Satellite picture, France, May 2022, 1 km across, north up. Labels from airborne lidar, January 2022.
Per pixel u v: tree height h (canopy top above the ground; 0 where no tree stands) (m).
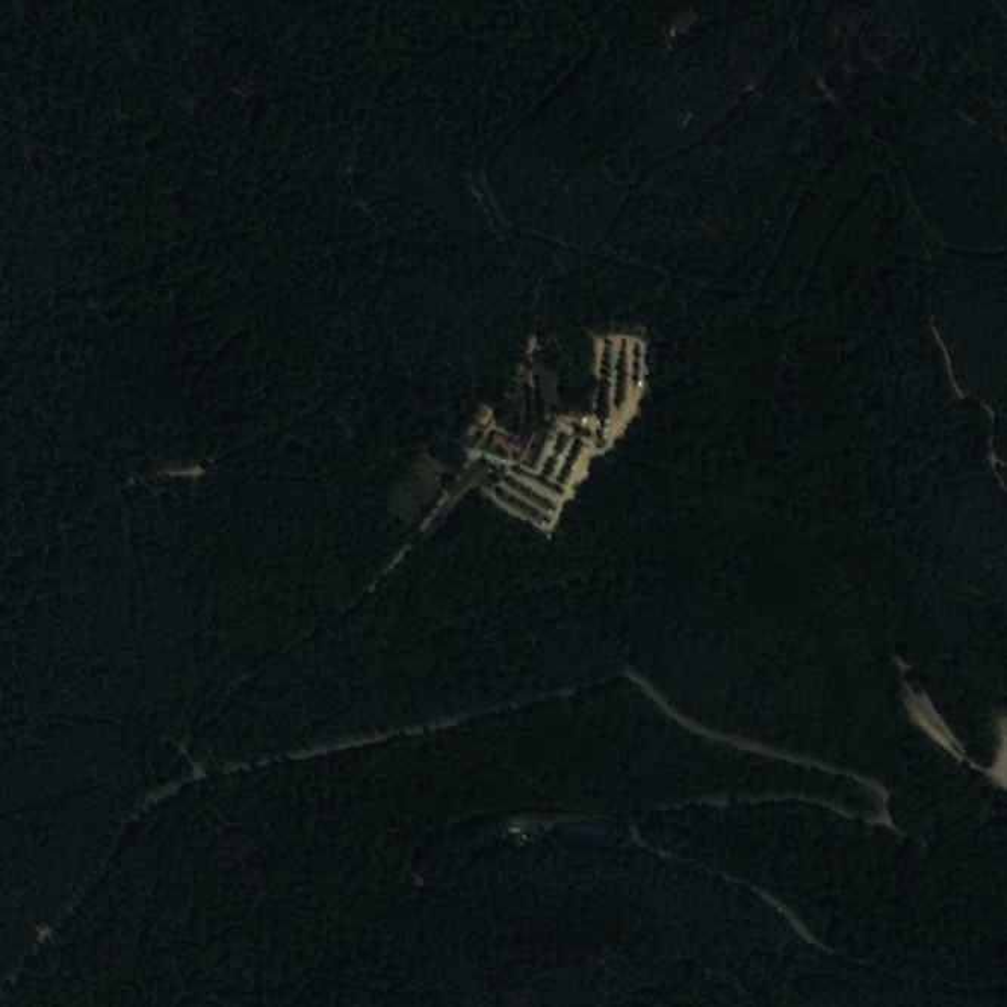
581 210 13
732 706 13
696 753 15
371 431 19
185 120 21
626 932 17
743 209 24
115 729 17
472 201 18
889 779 10
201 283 30
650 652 25
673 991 25
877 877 14
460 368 19
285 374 25
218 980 29
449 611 14
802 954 29
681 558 19
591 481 11
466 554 14
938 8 10
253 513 11
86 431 15
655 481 17
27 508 19
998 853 22
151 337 11
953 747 0
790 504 13
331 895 23
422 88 19
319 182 20
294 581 11
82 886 21
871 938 26
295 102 17
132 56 24
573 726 16
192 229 30
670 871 27
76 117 21
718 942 25
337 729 24
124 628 18
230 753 15
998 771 0
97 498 21
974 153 9
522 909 22
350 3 28
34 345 22
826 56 15
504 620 6
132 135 27
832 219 12
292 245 24
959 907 20
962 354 12
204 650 17
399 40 24
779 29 14
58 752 21
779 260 7
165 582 15
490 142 18
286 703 23
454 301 20
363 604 9
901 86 22
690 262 9
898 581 12
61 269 20
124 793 24
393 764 15
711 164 19
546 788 12
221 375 10
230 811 13
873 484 26
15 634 20
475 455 0
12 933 17
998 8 7
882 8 19
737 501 21
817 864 14
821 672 17
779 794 12
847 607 17
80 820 21
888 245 11
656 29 19
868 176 6
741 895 19
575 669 18
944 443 22
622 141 14
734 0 20
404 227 22
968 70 12
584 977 25
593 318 14
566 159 13
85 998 15
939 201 12
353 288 23
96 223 15
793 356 6
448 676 12
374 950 27
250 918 18
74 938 15
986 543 9
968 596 10
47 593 12
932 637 15
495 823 20
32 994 18
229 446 7
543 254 18
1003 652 13
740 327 18
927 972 24
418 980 9
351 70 20
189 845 21
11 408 13
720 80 10
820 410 9
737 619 17
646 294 16
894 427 24
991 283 12
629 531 15
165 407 15
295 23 22
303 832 27
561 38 28
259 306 27
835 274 18
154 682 18
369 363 20
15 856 18
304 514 9
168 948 17
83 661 20
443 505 0
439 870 29
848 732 16
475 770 13
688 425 17
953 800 25
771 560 21
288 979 23
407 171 18
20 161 22
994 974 22
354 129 16
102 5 20
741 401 13
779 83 17
